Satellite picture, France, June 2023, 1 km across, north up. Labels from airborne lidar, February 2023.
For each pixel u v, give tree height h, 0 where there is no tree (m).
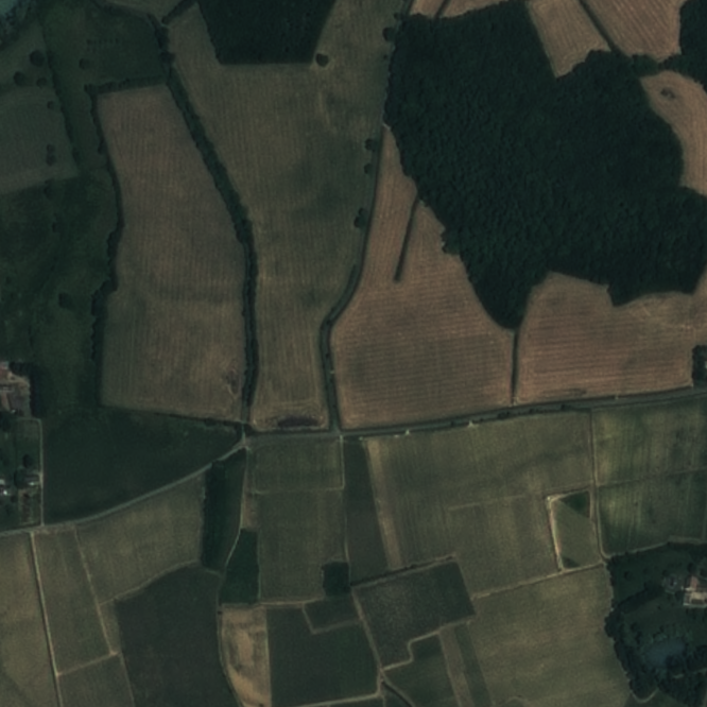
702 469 0
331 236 0
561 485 0
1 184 0
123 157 0
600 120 20
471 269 15
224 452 0
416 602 0
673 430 0
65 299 15
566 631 0
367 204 0
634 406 0
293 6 16
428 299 0
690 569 8
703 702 25
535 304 0
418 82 15
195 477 0
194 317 0
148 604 0
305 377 0
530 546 0
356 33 0
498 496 0
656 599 14
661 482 0
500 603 0
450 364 0
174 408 0
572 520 0
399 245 0
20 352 0
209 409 0
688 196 17
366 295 0
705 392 0
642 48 0
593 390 0
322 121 0
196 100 0
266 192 0
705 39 18
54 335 0
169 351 0
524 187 12
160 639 0
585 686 0
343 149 0
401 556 0
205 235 0
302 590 0
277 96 0
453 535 0
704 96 0
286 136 0
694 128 0
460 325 0
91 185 0
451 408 0
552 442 0
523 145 19
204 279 0
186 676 0
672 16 0
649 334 0
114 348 0
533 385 0
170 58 14
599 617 0
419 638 0
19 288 0
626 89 16
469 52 17
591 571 0
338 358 0
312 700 0
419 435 0
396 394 0
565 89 21
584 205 17
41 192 0
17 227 0
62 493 0
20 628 0
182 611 0
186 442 0
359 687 0
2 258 0
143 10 0
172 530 0
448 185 7
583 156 22
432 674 0
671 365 0
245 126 0
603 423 0
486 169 19
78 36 0
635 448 0
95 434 0
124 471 0
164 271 0
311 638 0
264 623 0
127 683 0
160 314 0
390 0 0
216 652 0
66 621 0
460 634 0
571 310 0
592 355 0
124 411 0
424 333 0
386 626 0
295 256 0
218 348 0
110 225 0
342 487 0
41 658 0
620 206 20
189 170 0
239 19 14
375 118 0
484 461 0
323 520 0
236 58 15
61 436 0
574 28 0
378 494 0
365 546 0
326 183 0
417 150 11
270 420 0
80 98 0
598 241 16
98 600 0
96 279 0
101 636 0
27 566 0
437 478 0
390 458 0
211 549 8
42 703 0
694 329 0
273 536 0
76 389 0
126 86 10
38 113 0
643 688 25
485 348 0
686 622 0
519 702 0
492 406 0
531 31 18
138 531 0
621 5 0
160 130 0
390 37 21
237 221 11
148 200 0
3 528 0
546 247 19
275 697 0
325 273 0
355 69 0
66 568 0
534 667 0
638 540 0
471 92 17
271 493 0
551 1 0
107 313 15
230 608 0
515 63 21
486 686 0
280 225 0
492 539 0
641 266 15
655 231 13
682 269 15
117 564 0
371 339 0
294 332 0
